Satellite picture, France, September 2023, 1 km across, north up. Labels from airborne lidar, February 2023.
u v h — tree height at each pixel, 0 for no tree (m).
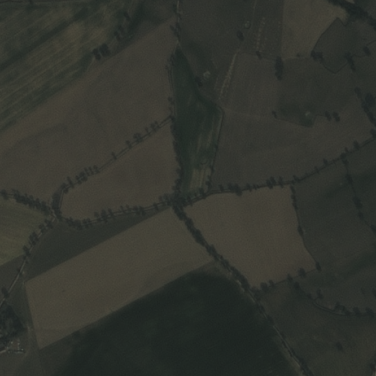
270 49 0
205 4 0
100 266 0
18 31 0
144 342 0
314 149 0
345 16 0
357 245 0
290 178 0
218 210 0
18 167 0
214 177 0
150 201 0
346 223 0
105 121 0
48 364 0
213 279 0
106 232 0
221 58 0
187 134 0
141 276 0
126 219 0
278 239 0
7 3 0
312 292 0
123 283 0
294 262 0
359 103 0
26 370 0
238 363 0
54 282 0
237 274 15
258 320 0
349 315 13
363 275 0
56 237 0
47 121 0
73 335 0
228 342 0
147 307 0
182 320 0
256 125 0
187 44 0
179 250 0
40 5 0
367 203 0
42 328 0
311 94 0
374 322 0
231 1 0
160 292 0
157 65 0
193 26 0
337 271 0
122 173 0
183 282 0
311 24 0
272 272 0
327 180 0
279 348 0
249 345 0
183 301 0
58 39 0
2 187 0
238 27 0
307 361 0
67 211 0
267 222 0
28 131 0
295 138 0
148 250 0
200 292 0
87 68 0
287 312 0
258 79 0
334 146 0
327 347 0
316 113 0
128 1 0
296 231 0
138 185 0
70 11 0
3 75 0
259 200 0
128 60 0
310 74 0
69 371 0
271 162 0
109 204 0
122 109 0
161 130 0
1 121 0
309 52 0
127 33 0
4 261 0
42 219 0
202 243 15
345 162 15
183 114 0
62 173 0
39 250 0
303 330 0
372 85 0
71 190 0
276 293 0
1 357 0
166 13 0
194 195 0
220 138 0
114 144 0
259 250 0
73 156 0
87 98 0
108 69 0
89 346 0
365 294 15
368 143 0
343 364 0
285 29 0
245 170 0
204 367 0
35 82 0
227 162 0
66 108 0
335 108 0
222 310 0
